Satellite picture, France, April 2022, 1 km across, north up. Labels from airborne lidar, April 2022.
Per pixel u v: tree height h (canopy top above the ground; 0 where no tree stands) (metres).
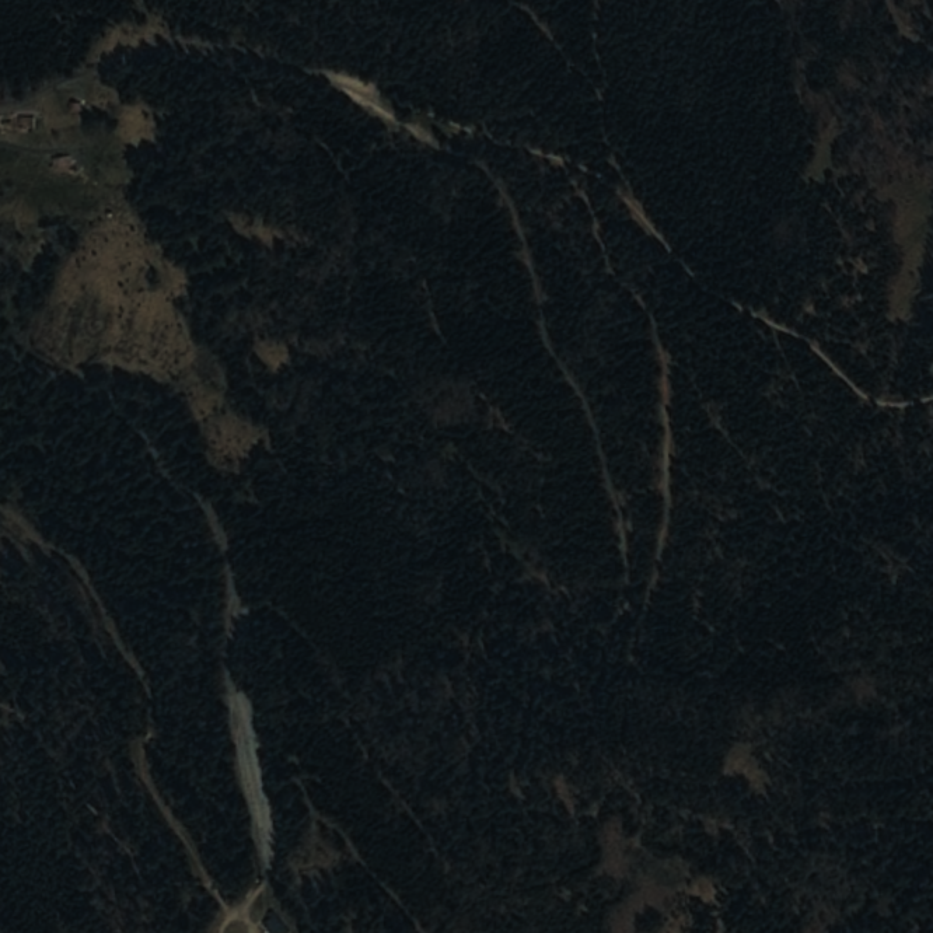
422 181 21
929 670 7
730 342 10
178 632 31
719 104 22
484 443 11
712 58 28
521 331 16
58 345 0
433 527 19
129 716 22
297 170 14
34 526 9
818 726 17
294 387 19
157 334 0
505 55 18
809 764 21
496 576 14
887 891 27
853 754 23
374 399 22
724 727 24
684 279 27
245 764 0
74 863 16
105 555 29
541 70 20
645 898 11
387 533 17
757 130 24
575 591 14
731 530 10
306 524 11
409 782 13
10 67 15
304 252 9
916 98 30
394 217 13
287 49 22
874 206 8
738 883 15
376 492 23
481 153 24
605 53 21
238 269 7
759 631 15
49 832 32
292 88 14
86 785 33
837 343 7
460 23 13
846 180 7
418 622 19
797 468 11
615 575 15
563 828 18
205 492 15
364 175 15
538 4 19
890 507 11
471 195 17
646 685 21
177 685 13
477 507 16
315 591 13
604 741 28
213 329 29
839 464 9
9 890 25
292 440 11
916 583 23
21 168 0
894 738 18
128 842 24
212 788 8
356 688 13
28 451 18
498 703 27
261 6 6
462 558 19
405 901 10
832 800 19
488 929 10
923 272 0
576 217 16
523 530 19
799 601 15
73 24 9
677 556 13
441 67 13
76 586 13
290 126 12
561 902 10
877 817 26
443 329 7
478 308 7
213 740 12
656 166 21
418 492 18
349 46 20
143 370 0
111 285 0
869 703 10
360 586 20
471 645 8
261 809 0
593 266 26
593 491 9
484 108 25
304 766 11
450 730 26
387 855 12
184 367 0
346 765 12
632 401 13
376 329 23
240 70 8
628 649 10
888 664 8
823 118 15
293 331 17
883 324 8
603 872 10
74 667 28
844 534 11
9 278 15
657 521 13
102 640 13
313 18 15
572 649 9
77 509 31
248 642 17
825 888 28
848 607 11
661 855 6
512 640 13
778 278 19
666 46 29
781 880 24
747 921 23
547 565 17
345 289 13
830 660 15
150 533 27
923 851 27
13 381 17
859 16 17
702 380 7
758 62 25
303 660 18
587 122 19
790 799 23
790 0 20
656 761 23
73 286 0
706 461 12
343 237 18
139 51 0
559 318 11
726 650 16
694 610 12
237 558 17
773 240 14
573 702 24
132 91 18
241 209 26
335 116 15
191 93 30
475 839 31
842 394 12
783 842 22
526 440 16
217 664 17
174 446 30
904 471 6
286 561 18
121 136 0
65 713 30
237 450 0
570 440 11
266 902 0
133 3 6
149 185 10
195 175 31
